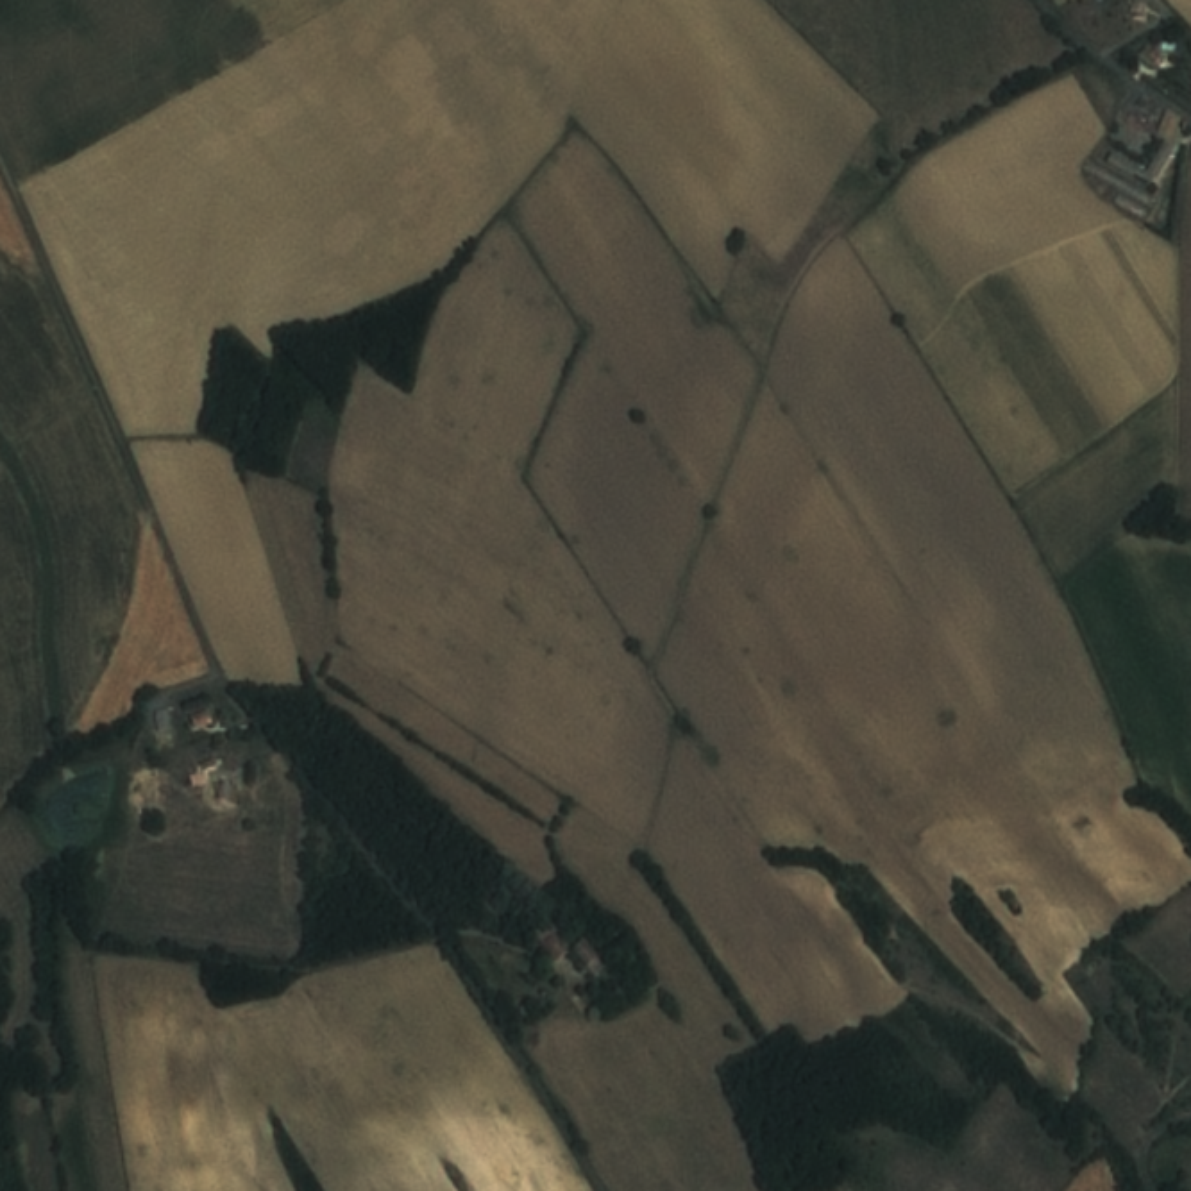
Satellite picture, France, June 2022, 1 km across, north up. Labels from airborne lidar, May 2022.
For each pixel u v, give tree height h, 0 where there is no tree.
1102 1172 0
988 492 0
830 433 0
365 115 0
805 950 0
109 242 0
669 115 0
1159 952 0
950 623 0
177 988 0
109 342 0
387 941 11
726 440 0
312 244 0
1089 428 0
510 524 0
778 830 0
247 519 0
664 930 0
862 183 0
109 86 0
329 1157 0
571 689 0
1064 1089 0
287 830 0
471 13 0
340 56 0
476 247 10
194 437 0
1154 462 0
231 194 0
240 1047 0
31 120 0
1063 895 0
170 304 0
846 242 0
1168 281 0
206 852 0
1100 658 0
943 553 0
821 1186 6
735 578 0
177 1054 0
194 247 0
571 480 0
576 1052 0
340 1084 0
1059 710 0
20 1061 17
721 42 0
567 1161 0
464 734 0
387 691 0
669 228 0
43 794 0
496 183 0
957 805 0
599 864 0
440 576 0
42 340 0
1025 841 0
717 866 0
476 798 0
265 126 0
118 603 0
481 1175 0
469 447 0
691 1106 0
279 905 0
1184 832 9
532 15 0
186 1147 0
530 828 0
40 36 0
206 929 0
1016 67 0
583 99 0
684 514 0
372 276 0
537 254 0
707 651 0
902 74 0
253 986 9
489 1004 12
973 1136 0
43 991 6
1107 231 0
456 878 17
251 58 0
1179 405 0
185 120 0
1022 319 0
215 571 0
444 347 0
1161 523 19
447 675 0
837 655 0
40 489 0
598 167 0
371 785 19
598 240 0
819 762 0
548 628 0
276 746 16
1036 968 0
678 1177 0
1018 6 0
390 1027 0
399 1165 0
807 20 0
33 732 0
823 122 0
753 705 0
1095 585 0
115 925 0
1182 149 6
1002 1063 8
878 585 0
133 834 0
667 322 0
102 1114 0
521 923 17
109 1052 0
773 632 0
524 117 0
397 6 0
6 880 0
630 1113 0
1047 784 0
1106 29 0
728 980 14
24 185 0
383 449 0
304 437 0
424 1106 0
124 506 0
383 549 0
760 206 0
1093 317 0
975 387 0
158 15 0
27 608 0
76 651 0
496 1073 0
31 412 0
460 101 0
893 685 0
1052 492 0
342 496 0
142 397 0
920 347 0
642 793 0
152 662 0
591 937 9
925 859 0
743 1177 0
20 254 0
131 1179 0
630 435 0
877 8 0
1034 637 0
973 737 0
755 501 0
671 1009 9
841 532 0
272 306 0
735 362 0
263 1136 0
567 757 0
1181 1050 0
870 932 7
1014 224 0
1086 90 0
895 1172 0
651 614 0
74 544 0
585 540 0
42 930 15
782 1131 18
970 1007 0
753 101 0
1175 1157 0
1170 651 0
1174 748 0
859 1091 17
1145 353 0
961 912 7
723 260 0
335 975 0
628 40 0
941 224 0
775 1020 0
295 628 0
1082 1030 0
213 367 13
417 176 0
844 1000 0
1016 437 0
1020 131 0
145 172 0
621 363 0
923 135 8
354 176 0
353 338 13
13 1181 5
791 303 0
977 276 0
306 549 0
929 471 0
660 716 0
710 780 0
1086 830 0
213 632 0
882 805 0
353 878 9
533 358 0
